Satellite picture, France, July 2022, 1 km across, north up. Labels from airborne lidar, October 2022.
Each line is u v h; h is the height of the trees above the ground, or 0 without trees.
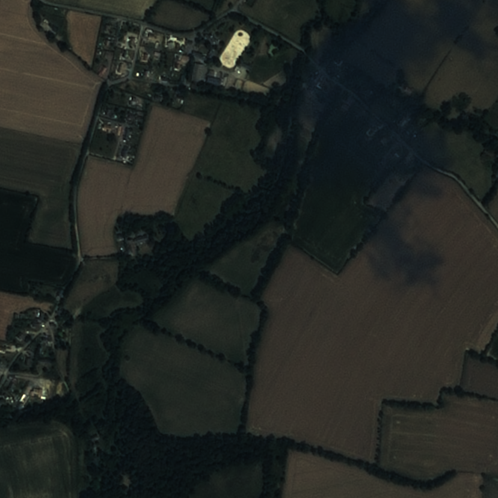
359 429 0
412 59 0
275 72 0
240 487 0
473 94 0
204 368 0
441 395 7
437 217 0
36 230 0
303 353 0
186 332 0
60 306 7
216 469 10
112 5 0
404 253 0
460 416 0
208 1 0
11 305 0
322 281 0
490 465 0
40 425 0
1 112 0
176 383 0
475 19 0
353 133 0
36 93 0
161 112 0
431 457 0
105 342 13
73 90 0
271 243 0
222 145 0
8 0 0
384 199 0
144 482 26
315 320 0
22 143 0
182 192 0
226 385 0
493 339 6
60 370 0
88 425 15
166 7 0
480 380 0
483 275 0
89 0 0
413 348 0
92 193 0
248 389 11
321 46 0
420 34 0
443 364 0
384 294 0
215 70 0
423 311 0
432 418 0
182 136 0
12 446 0
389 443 0
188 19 0
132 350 0
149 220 13
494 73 0
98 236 0
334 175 0
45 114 0
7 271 0
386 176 15
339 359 0
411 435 0
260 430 0
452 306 0
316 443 0
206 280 21
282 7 0
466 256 0
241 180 0
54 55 0
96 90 0
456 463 0
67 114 0
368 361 0
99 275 0
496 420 0
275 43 13
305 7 0
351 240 0
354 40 8
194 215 0
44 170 0
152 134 0
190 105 0
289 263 0
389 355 0
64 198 0
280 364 0
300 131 0
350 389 0
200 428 0
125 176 0
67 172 0
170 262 18
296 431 0
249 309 0
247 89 0
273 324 0
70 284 9
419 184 0
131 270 13
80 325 0
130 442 27
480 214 0
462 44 0
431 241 0
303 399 0
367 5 0
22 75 0
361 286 0
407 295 0
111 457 16
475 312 0
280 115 21
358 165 0
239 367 8
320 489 0
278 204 17
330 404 0
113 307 0
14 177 0
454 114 0
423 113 7
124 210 0
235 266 0
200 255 21
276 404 0
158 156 0
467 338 0
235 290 19
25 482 0
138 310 13
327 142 0
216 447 10
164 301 17
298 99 18
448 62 0
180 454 19
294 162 25
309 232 0
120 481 12
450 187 0
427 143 0
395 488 0
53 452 0
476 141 11
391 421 0
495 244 0
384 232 0
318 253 0
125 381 12
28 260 0
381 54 0
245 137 0
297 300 0
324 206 0
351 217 0
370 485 0
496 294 0
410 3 0
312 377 0
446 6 0
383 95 17
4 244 0
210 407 0
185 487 18
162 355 0
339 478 0
